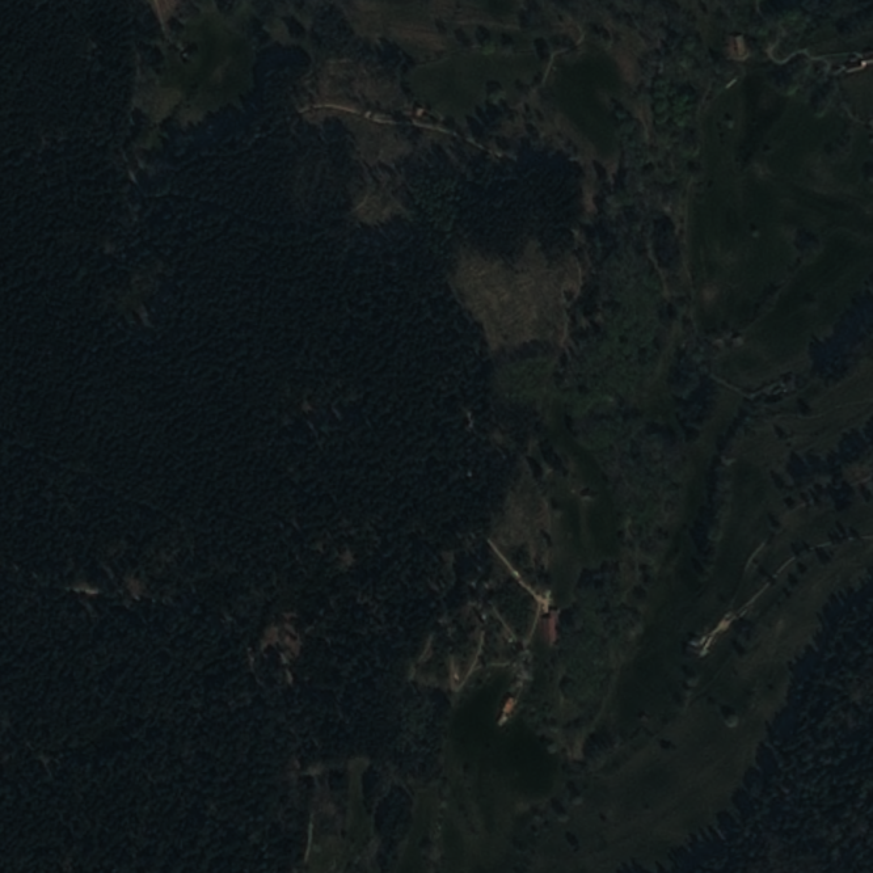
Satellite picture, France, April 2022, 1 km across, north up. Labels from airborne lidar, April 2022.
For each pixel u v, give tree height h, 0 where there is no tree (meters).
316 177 26
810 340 0
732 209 0
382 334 29
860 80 0
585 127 0
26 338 29
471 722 0
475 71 0
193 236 32
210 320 23
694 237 0
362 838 0
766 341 0
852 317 0
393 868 29
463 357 31
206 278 27
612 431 24
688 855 0
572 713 0
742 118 0
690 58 26
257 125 26
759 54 13
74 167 25
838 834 30
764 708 0
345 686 30
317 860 0
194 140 8
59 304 22
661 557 18
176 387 24
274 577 32
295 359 32
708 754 0
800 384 11
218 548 24
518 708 5
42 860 27
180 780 29
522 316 0
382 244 28
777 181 0
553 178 38
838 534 0
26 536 21
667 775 0
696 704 0
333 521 32
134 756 28
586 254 21
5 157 25
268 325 27
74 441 24
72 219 29
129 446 26
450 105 0
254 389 28
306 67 28
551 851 0
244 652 21
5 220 28
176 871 40
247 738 33
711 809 0
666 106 27
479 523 33
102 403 28
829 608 0
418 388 30
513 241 32
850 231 0
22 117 26
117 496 25
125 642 27
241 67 0
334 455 32
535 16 21
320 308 28
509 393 24
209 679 8
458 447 36
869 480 0
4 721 23
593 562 0
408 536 37
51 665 26
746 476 0
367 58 24
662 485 25
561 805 0
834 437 0
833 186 0
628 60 0
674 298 7
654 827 0
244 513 28
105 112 29
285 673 29
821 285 0
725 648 0
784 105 0
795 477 16
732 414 0
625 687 0
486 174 24
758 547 0
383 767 25
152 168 19
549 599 0
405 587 36
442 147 0
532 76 0
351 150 26
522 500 0
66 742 6
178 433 25
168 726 29
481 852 0
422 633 26
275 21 24
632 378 22
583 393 17
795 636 0
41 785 27
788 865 28
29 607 26
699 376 24
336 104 0
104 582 39
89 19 24
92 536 28
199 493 28
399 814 30
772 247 0
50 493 23
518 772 0
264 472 29
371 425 30
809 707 27
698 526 0
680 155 25
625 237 27
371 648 28
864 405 0
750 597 0
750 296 0
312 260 28
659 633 0
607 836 0
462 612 25
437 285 36
